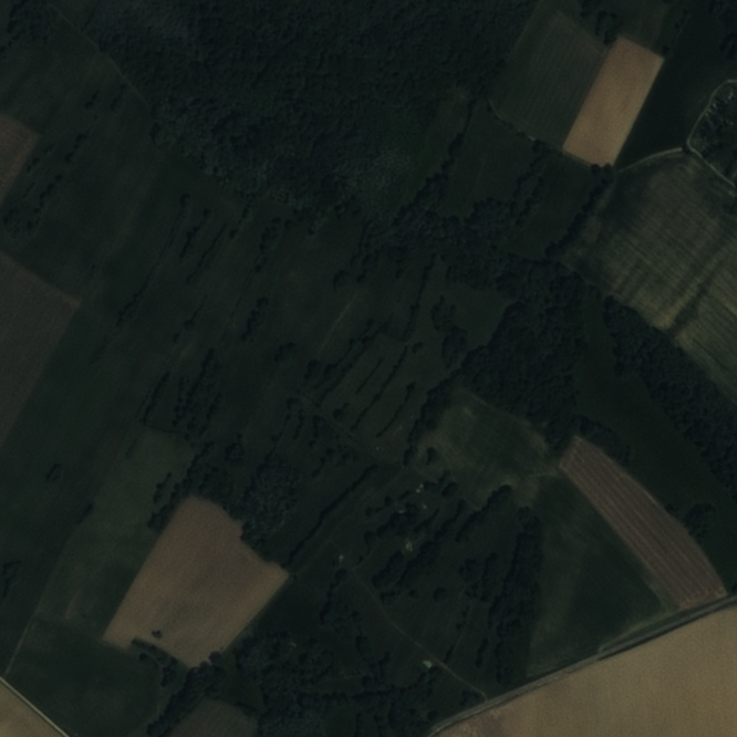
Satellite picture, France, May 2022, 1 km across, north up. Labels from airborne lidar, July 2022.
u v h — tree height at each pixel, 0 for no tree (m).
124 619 0
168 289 0
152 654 8
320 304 0
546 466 0
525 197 11
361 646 17
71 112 0
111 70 0
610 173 18
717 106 0
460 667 0
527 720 0
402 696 20
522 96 0
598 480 0
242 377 0
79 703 0
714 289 0
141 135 0
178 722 9
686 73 0
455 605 0
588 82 0
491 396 11
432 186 15
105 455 0
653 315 0
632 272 0
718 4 14
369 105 17
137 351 0
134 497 0
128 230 0
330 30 15
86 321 0
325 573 0
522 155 0
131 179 0
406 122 16
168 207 0
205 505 0
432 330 0
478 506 0
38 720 0
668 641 0
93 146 0
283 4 14
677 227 0
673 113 0
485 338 0
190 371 0
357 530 0
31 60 0
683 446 0
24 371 0
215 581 0
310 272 0
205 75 23
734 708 0
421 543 0
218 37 25
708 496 0
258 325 14
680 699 0
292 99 19
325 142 21
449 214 0
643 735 0
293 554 10
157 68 17
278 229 11
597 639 0
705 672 0
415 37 17
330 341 0
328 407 0
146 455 0
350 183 22
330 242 0
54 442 0
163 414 0
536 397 18
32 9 15
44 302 0
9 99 0
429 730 17
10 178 0
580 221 17
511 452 0
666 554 0
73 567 0
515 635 20
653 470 0
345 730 0
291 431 0
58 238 0
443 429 0
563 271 17
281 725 22
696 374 20
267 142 28
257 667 29
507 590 14
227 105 15
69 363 0
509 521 0
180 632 0
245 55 23
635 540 0
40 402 0
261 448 0
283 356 15
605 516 0
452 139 0
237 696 0
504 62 14
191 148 19
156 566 0
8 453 0
